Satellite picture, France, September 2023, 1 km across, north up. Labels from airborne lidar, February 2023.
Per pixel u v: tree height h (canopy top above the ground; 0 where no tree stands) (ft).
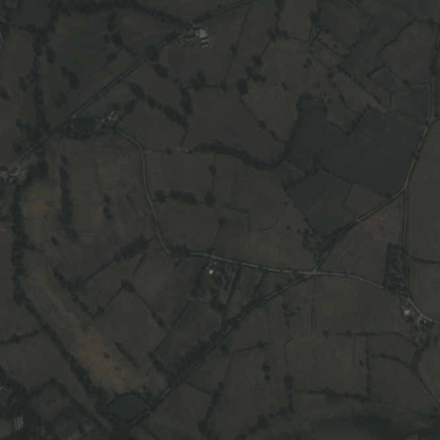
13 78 0
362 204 0
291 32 0
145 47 0
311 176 37
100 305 0
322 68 0
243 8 0
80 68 0
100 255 0
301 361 0
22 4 29
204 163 0
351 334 31
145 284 0
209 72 0
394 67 0
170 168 0
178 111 0
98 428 42
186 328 0
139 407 0
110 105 0
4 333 0
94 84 0
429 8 0
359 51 0
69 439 0
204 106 0
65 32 0
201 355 58
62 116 0
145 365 0
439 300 0
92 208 0
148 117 0
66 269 0
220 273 44
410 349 0
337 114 0
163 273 0
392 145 0
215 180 0
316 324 0
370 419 0
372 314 0
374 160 0
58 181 0
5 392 0
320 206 0
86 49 0
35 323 0
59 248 0
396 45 0
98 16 0
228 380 0
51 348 0
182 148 0
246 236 0
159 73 52
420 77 0
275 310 0
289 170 0
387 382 0
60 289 0
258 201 0
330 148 0
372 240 0
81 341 0
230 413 0
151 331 0
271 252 0
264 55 0
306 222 37
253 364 0
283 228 0
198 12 0
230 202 0
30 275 0
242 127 0
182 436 0
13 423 0
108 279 0
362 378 0
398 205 0
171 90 0
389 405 0
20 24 0
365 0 0
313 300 0
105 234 0
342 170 0
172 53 0
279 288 47
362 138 0
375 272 0
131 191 0
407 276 26
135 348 0
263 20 0
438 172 0
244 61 0
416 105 0
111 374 0
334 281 0
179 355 0
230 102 0
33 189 0
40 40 50
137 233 0
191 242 0
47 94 0
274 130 0
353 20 0
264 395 0
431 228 0
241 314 22
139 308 0
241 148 0
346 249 0
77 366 37
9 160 0
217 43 0
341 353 0
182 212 0
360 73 0
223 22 0
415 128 0
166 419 0
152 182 0
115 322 0
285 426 0
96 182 0
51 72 0
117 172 0
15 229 34
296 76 0
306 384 0
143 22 0
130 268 0
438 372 0
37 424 73
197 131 0
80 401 0
